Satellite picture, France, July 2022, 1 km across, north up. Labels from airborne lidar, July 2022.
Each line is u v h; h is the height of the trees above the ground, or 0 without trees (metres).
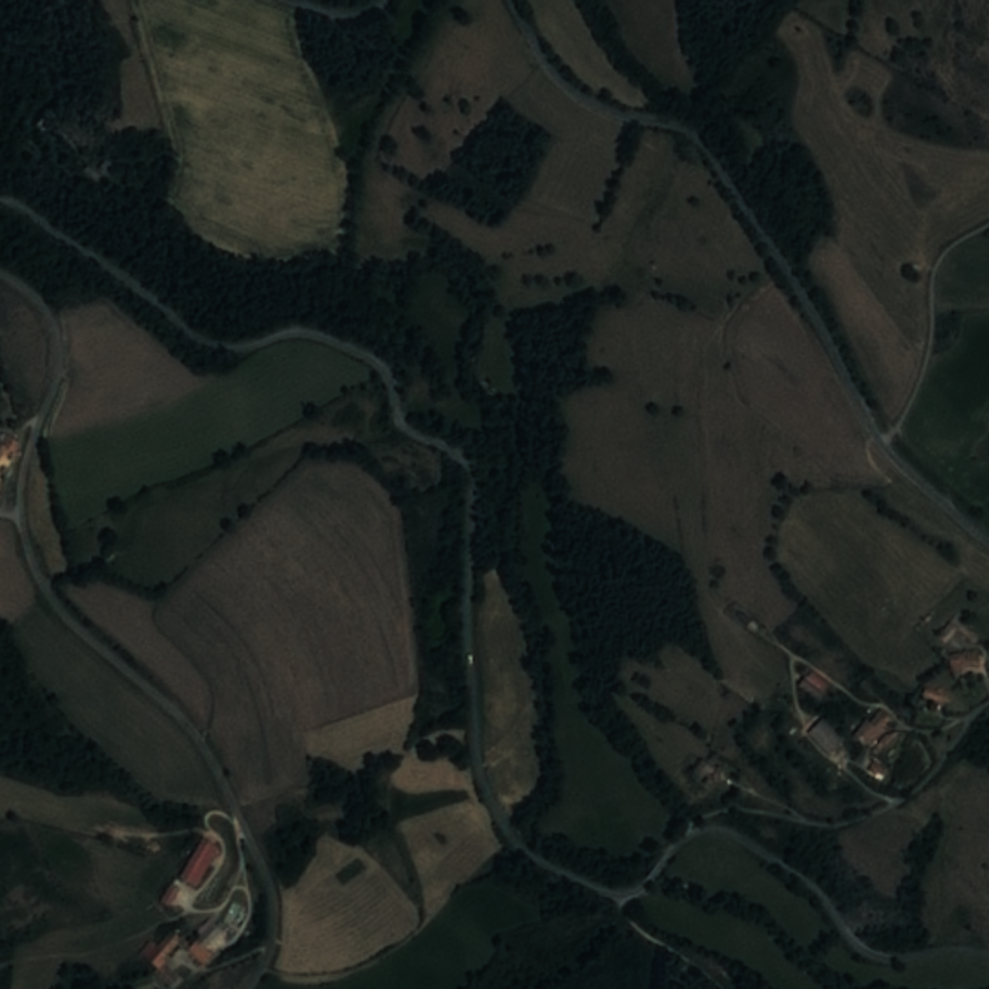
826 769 0
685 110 19
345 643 0
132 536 0
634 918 20
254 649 0
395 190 0
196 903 0
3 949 12
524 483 17
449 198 29
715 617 0
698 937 0
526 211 0
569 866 9
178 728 0
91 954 0
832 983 16
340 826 15
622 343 0
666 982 27
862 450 0
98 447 0
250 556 0
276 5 0
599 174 0
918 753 0
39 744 8
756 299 0
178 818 14
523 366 23
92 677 0
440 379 17
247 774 0
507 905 0
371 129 17
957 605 0
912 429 0
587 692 19
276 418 0
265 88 0
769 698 0
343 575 0
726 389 0
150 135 12
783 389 0
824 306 10
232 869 0
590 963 17
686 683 0
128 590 6
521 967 7
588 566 18
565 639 0
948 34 0
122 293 10
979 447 0
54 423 0
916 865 8
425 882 0
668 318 0
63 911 0
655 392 0
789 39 0
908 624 0
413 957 0
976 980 0
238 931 0
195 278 19
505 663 0
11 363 0
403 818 0
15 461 0
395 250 0
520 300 0
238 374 0
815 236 9
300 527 0
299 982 0
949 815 0
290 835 12
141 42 0
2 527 0
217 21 0
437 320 0
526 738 0
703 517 0
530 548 0
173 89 0
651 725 0
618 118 0
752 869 0
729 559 0
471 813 0
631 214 0
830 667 0
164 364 0
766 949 0
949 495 0
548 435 25
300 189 0
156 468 0
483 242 0
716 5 19
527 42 0
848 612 0
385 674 0
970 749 11
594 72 0
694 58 14
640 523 0
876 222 0
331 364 0
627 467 0
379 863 0
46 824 0
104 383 0
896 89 0
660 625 16
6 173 16
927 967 0
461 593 15
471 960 0
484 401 20
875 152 0
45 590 0
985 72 0
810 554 0
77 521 0
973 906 0
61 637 0
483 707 0
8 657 11
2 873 0
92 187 20
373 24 27
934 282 0
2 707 22
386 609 0
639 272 0
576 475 0
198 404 0
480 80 0
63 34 20
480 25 0
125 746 0
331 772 9
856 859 0
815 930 0
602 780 0
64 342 0
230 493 0
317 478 0
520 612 18
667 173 0
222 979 0
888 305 0
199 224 0
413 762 0
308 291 15
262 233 0
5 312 0
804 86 0
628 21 0
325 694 0
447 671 9
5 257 7
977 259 0
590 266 0
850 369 5
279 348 0
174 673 0
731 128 20
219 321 9
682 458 0
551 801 16
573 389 13
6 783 0
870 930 7
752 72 0
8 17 14
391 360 13
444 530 12
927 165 0
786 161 14
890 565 0
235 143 0
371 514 0
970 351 0
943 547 8
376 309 22
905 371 0
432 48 0
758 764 12
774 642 0
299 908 0
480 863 0
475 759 0
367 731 0
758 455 0
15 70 17
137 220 20
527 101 0
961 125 0
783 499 12
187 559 0
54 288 7
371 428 0
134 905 0
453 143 0
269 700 0
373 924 0
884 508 6
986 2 0
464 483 23
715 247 0
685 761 0
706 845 0
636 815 0
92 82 10
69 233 17
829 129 0
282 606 0
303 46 8
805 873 11
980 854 0
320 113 0
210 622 0
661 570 27
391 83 19
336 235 0
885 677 0
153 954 0
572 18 0
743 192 17
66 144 12
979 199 0
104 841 13
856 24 9
